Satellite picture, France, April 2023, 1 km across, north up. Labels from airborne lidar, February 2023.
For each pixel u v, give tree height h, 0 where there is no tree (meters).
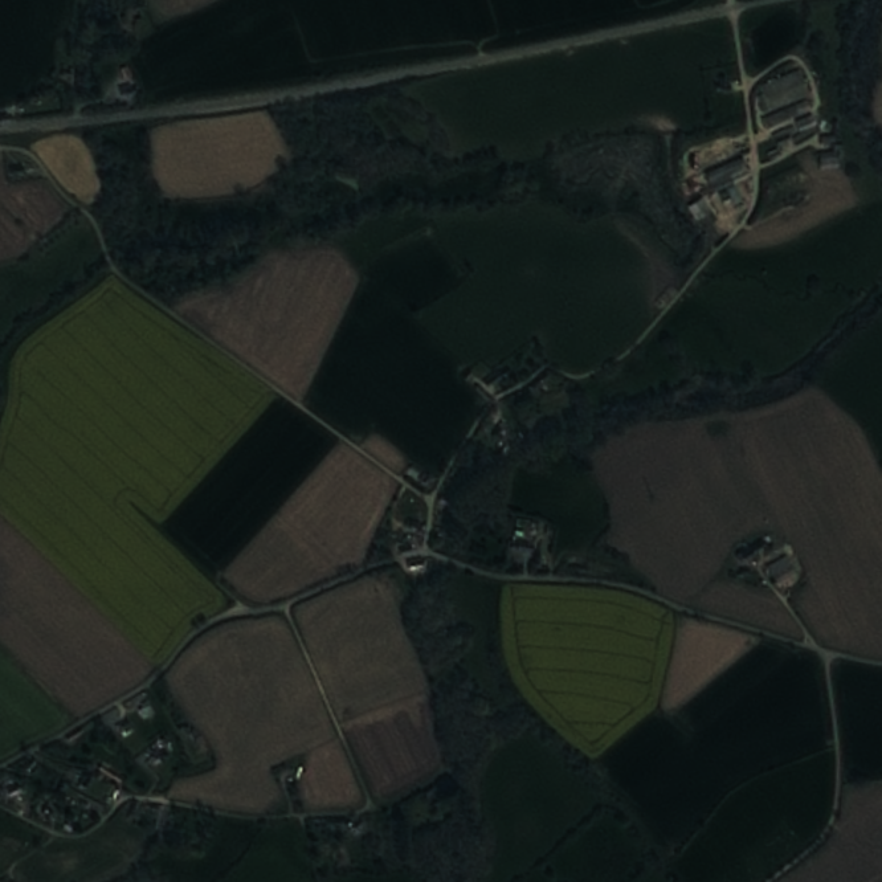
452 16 0
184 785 0
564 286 0
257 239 27
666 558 0
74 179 0
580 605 0
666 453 0
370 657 0
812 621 0
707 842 0
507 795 0
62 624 0
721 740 0
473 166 14
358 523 0
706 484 0
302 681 0
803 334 0
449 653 22
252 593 0
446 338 0
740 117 0
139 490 0
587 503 0
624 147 0
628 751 0
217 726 0
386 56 0
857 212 0
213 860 0
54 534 0
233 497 0
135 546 0
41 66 0
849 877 0
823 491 0
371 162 21
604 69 0
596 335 0
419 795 7
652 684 0
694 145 0
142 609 0
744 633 0
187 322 0
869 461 0
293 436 0
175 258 32
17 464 0
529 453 28
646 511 0
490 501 28
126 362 0
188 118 0
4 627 0
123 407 0
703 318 0
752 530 0
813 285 11
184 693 0
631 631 0
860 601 0
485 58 0
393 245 0
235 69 0
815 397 0
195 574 0
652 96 0
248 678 0
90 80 10
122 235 8
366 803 0
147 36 0
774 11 0
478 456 18
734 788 0
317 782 0
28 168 0
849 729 0
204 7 0
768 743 0
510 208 11
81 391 0
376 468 0
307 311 0
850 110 13
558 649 0
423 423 0
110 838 0
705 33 0
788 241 0
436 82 0
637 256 0
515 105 0
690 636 0
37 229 0
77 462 0
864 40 16
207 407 0
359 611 0
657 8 0
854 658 0
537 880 0
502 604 0
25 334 0
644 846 10
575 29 0
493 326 0
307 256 0
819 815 0
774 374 0
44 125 0
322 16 0
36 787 9
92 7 11
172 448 0
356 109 8
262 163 0
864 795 0
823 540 0
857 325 6
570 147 20
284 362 0
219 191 0
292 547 0
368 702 0
